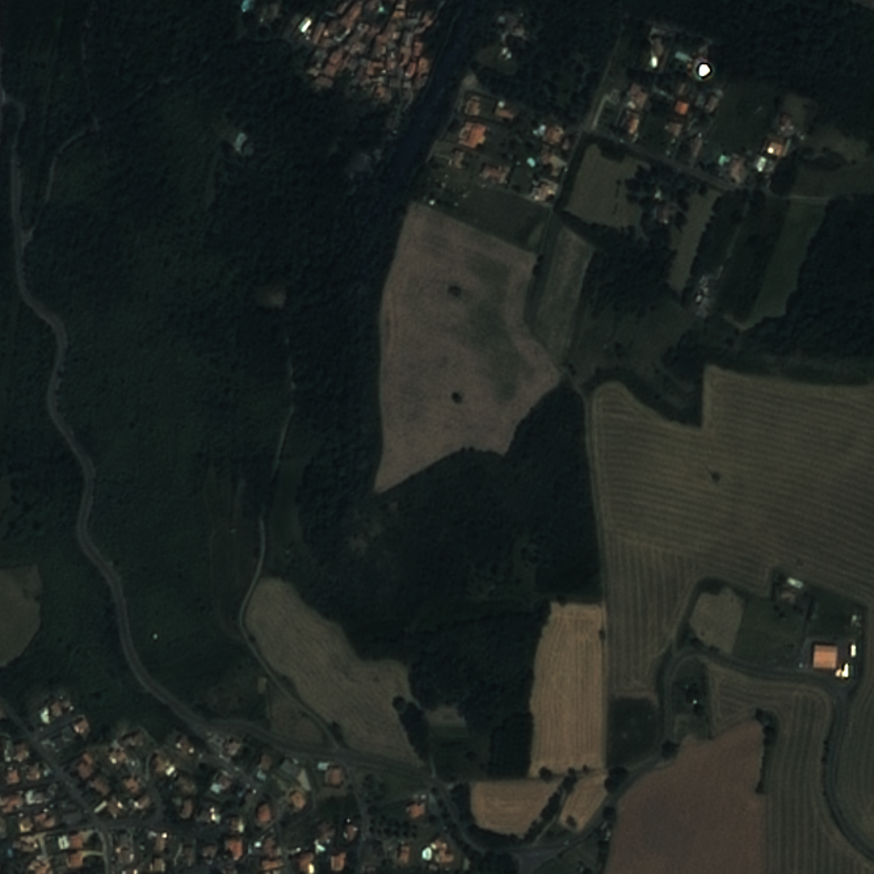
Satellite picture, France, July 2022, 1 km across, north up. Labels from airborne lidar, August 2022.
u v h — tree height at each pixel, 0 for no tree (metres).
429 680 23
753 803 0
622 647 0
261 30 13
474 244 0
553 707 0
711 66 13
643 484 0
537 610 9
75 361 9
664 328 0
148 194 11
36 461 8
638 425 0
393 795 0
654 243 15
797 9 21
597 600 0
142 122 13
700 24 14
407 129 7
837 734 0
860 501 0
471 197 0
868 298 10
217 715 6
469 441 0
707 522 0
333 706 0
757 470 0
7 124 14
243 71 20
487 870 8
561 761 0
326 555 8
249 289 7
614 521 0
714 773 0
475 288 0
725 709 0
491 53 0
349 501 6
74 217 9
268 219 11
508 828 0
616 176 0
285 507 0
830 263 15
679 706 0
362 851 0
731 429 0
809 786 0
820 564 0
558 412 7
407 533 6
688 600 0
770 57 18
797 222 0
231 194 13
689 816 0
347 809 0
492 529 13
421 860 0
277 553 0
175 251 9
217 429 7
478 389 0
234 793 6
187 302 10
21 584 0
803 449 0
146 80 12
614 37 17
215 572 0
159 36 13
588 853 0
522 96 17
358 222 13
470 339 0
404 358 0
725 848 0
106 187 9
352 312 15
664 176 12
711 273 0
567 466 7
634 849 0
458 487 7
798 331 18
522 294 0
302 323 17
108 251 12
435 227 0
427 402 0
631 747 0
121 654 9
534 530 13
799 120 0
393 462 0
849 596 0
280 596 0
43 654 5
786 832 0
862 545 0
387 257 8
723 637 0
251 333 12
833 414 0
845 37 21
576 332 0
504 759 11
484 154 0
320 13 6
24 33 6
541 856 0
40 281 6
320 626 0
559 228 0
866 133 10
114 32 19
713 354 5
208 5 11
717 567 0
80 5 7
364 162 0
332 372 12
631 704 0
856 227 16
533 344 0
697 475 0
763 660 0
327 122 16
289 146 15
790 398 0
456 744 6
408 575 6
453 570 8
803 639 0
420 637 9
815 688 0
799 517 0
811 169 11
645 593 0
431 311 0
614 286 8
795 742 0
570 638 0
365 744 0
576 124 7
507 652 13
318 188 13
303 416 6
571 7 17
